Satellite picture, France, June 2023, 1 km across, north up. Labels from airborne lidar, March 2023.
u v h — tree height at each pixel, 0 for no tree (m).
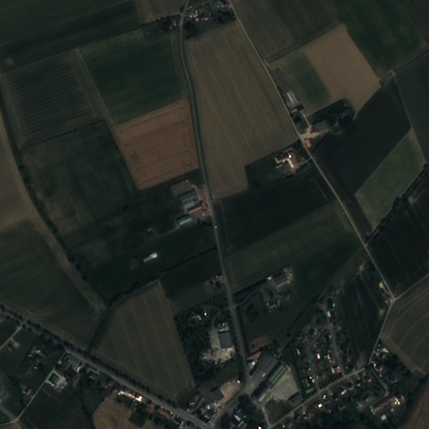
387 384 6
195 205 0
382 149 0
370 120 0
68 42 0
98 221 0
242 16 0
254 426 13
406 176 0
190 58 0
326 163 0
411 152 0
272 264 0
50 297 0
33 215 0
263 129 0
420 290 0
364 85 0
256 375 0
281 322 0
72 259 18
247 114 0
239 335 0
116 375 13
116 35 0
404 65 0
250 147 0
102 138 0
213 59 0
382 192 0
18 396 0
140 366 0
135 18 0
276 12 0
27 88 0
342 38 0
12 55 0
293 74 0
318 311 9
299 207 0
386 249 0
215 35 0
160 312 0
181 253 0
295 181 0
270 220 0
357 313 0
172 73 0
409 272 0
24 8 0
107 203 0
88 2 0
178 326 8
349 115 7
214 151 0
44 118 0
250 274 0
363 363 0
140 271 0
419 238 0
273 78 0
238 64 0
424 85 0
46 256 0
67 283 0
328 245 0
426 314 0
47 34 0
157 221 0
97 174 0
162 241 0
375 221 0
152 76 0
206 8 0
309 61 0
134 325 0
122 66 0
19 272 0
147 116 0
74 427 0
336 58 0
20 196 0
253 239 0
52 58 0
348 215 0
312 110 0
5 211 0
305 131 0
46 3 0
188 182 0
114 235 0
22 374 0
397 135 0
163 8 0
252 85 0
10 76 0
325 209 0
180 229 0
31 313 0
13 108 0
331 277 0
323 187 0
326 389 0
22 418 0
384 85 0
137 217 0
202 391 0
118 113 0
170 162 0
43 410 0
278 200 0
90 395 0
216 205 0
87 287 0
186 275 0
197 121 0
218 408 0
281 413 0
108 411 0
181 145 0
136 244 0
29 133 0
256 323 0
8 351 0
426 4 0
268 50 0
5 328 0
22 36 0
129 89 0
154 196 0
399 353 0
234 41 0
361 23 0
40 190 0
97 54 0
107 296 0
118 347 0
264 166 0
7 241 0
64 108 0
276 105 0
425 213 0
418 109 0
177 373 0
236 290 0
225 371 0
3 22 0
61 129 0
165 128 0
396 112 0
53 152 0
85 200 0
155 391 0
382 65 0
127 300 0
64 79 0
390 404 0
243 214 0
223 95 0
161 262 0
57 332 0
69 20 0
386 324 0
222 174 0
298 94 0
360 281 0
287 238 0
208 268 0
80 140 0
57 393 0
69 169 0
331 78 0
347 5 0
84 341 0
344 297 0
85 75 0
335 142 0
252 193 0
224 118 0
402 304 0
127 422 0
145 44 0
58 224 0
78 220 0
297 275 0
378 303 0
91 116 0
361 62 0
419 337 0
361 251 0
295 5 0
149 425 0
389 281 0
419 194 0
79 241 0
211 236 0
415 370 0
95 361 16
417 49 0
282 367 0
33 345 0
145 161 0
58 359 0
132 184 0
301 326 0
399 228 0
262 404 0
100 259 0
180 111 0
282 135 0
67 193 0
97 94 0
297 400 0
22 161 0
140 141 0
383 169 0
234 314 0
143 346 0
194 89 0
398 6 0
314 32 0
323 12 0
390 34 0
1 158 0
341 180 0
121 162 0
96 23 0
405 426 0
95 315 0
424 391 0
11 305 0
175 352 0
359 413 0
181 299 0
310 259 0
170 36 0
